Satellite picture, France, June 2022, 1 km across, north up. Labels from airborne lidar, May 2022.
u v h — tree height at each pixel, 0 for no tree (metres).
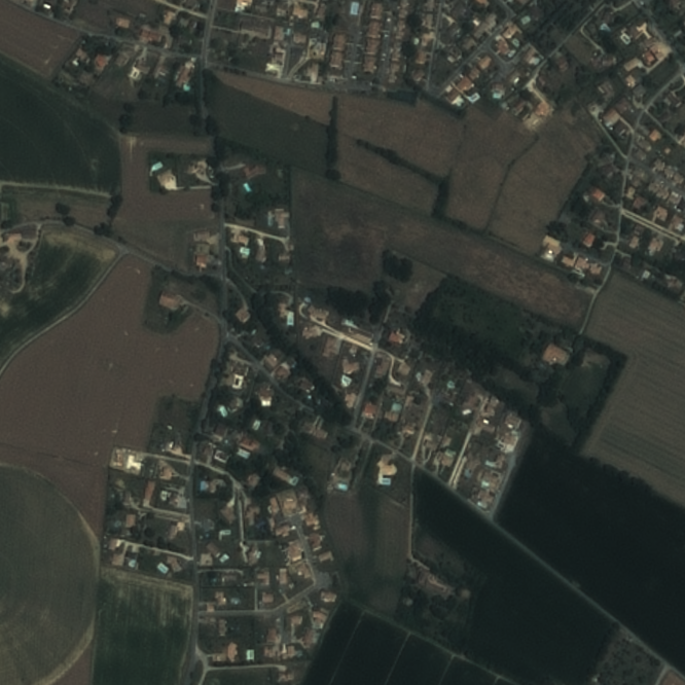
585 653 0
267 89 0
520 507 0
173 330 0
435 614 11
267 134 0
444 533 0
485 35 6
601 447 0
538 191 0
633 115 0
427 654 0
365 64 0
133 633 0
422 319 14
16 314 0
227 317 9
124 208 0
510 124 0
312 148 0
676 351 0
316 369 13
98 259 0
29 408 0
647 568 0
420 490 0
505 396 14
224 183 13
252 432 9
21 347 0
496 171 0
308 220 0
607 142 8
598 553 0
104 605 0
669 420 0
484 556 0
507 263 0
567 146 0
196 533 0
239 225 0
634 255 8
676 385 0
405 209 0
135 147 0
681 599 0
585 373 0
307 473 14
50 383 0
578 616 0
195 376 0
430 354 7
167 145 0
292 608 0
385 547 0
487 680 0
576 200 10
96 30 0
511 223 0
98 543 0
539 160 0
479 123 0
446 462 0
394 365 0
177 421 0
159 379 0
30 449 0
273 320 12
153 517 10
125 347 0
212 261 0
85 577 0
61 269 0
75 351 0
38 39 0
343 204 0
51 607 0
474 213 0
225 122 0
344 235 0
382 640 0
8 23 0
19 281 9
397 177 0
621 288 0
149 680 0
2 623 0
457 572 0
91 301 0
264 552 0
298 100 0
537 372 18
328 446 0
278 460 12
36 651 0
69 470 0
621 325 0
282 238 0
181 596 0
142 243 0
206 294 0
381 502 0
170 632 0
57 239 0
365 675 0
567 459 0
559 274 0
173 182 0
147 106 0
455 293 7
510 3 8
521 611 0
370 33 0
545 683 11
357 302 16
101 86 0
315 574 0
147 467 0
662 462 0
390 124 0
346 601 0
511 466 0
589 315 0
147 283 0
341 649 0
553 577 0
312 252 0
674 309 0
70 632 0
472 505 0
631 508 0
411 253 0
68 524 0
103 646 0
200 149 0
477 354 12
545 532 0
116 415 0
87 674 0
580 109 0
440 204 13
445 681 0
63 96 0
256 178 0
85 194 0
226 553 0
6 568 0
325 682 0
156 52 0
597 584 0
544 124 0
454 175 0
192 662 0
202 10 10
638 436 0
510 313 0
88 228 0
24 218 0
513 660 0
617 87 0
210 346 0
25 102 0
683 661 0
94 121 0
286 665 0
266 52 0
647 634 0
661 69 0
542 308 0
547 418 0
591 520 0
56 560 0
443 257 0
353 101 0
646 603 0
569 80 0
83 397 0
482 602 0
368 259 0
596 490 0
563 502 0
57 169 0
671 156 0
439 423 0
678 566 0
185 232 0
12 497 0
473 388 0
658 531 0
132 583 0
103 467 0
